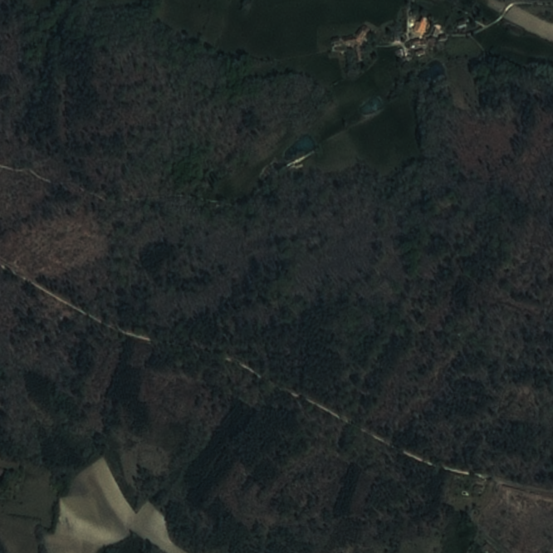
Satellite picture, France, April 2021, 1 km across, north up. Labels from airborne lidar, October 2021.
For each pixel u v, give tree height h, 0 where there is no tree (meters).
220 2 0
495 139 0
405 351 28
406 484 13
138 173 16
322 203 20
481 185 14
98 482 0
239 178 0
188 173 19
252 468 21
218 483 10
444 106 24
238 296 9
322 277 14
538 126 20
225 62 23
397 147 0
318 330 28
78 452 7
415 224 25
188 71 25
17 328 10
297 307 23
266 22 0
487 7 0
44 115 28
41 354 19
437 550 11
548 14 12
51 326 25
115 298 10
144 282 12
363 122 0
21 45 10
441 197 20
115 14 18
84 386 22
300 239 14
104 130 6
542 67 25
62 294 13
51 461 20
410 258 26
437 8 0
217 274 9
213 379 20
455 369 9
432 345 8
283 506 13
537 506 0
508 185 12
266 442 22
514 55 0
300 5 0
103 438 25
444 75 13
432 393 6
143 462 0
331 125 0
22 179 8
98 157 7
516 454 26
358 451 17
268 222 16
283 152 0
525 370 17
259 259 7
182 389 0
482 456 17
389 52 0
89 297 8
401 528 21
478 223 21
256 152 12
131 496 6
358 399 21
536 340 10
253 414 12
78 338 16
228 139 18
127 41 19
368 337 23
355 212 9
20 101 13
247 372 9
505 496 0
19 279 17
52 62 22
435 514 15
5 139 25
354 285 19
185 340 12
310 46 0
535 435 29
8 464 29
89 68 29
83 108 26
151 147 23
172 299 13
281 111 18
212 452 12
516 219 29
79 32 25
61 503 7
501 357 10
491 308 12
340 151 0
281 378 20
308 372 29
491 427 15
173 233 8
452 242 23
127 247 19
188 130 22
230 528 18
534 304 24
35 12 13
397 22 10
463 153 7
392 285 21
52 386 28
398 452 18
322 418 13
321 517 14
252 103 18
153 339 15
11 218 7
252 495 7
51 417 13
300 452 19
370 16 0
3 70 11
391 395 7
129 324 25
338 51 0
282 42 0
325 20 0
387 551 11
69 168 20
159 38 22
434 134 23
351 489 12
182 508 19
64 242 0
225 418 11
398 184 8
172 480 14
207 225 14
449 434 9
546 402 21
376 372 11
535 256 7
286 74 9
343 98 0
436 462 13
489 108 23
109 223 25
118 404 18
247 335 23
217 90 17
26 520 8
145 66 6
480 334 15
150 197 16
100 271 8
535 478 12
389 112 0
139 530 0
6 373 17
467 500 0
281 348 23
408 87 21
